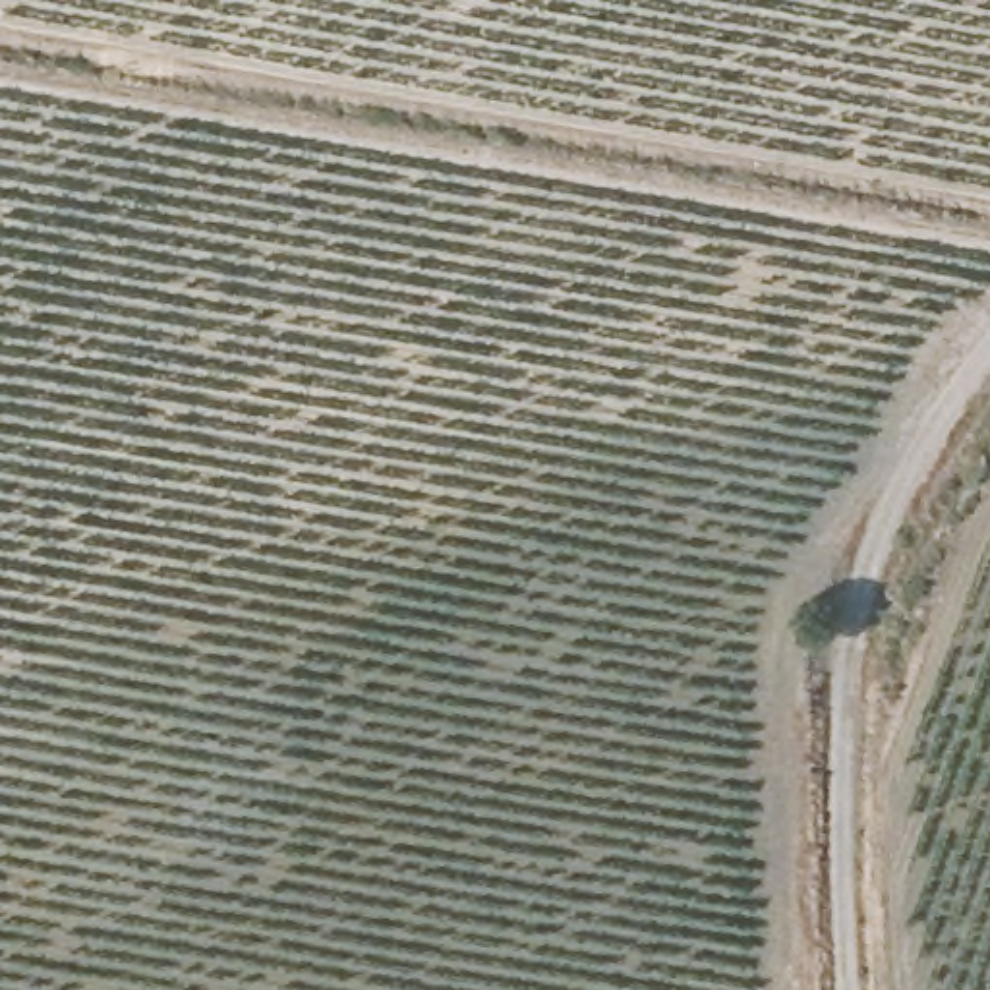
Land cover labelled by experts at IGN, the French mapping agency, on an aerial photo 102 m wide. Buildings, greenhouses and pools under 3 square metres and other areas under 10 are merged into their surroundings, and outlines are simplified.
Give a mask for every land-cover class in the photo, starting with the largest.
<instances>
[{"label":"vineyard","instance_id":"1","mask_svg":"<svg viewBox=\"0 0 990 990\"><path fill-rule=\"evenodd\" d=\"M990 286V251L843 224L793 220L754 209L704 205L661 193H630L565 178L464 166L445 159H418L255 128H228L213 120H178L162 112L116 108L97 101L0 89V990H766L758 959L766 944V897L758 886L766 862L754 847L762 781L731 777V770L750 766V750H758L762 727L754 719L758 646L739 642V634H758L766 611L746 607V596H766L770 580H781L777 568L793 553V545L808 538L812 510L828 503V491H839L847 476H855V452L866 437L878 433L882 402L893 398V383L905 379L913 348L928 340L932 329H940V317L951 313L959 302H975L986 298ZM909 758L924 766L913 812H920L924 820L917 855L928 859L932 870L909 920L924 928L920 955L932 967L928 990H990V545L967 592L963 619L951 634V650L940 665L936 688L917 727V743L909 750Z\"/></svg>","mask_w":990,"mask_h":990},{"label":"plowed land","instance_id":"2","mask_svg":"<svg viewBox=\"0 0 990 990\"><path fill-rule=\"evenodd\" d=\"M0 43L35 46L46 54H85L101 66H124L155 77H193L236 89H278L294 97H321L344 104H387L402 112L452 116L468 124H510L526 135H553L568 143H603L642 155H673L688 162L754 166L831 186L893 189L901 197H928L944 205L978 209L990 217V0H0ZM0 89L97 101L116 108L162 112L178 120H213L228 128H255L418 159H445L464 166L565 178L630 193H661L704 205L754 209L793 220L843 224L990 251V236L959 220H924L920 213L831 205L785 189L696 182L623 162L588 166L576 159H549L507 143L483 147L476 139L340 124L309 112L240 108L217 97L174 89L116 97L93 89L85 73L0 62ZM975 302H959L951 313L940 317V329H932L928 340L913 348L905 379L893 383V398L882 402L878 433L866 437L855 452V476H847L839 491H828V503L812 510L808 538L793 545V553L777 568L781 580H770L766 596H746V607L766 611L758 634H739V642L758 646L754 719L762 727L758 750H750V766L731 770V777L762 781L754 847L766 862L758 886L766 897V944L758 959L766 990H835L831 688L851 696L847 715L855 727L851 901L859 990H928L932 967L920 955L924 928L909 920L932 870L928 859L917 855L924 820L920 812H913L924 766L909 758V750L917 743V727L936 688L940 665L951 650V634L963 619L967 592L990 545V483L982 507L963 522L959 545L947 553L944 572H936L932 580V623L905 657L901 700L882 696L878 681L886 661L870 657L866 638L859 634L835 638L828 646L797 642L793 619L812 599L828 584L859 580L855 557L862 549L870 514L882 499L886 476L897 468V422L917 414L932 391H940V383L955 375L959 360L967 356L959 336L975 329Z\"/></svg>","mask_w":990,"mask_h":990},{"label":"pervious surface","instance_id":"3","mask_svg":"<svg viewBox=\"0 0 990 990\"><path fill-rule=\"evenodd\" d=\"M975 329L959 336L967 356L959 360L955 375L940 383V391H932L917 414L897 422V468L886 476L882 499L870 514L862 549L855 557L859 580L828 584L812 599L824 611V626L835 638L859 634L866 626H878L886 611V588L878 584V576L893 549L913 491L924 483L967 398L982 391L990 375V286L986 298L975 302ZM851 696L831 688L835 990H859L851 901L855 727L847 715Z\"/></svg>","mask_w":990,"mask_h":990},{"label":"brushwood","instance_id":"4","mask_svg":"<svg viewBox=\"0 0 990 990\"><path fill-rule=\"evenodd\" d=\"M0 62L85 73L93 89L116 97L174 89L217 97L240 108L309 112L340 124L476 139L483 147L507 143L549 159H576L588 166L623 162L696 182L785 189L831 205L920 213L924 220H959L990 236V217L978 209L944 205L928 197H901L893 189L831 186L754 166L688 162L673 155H642L603 143H568L553 135H526L510 124H468L452 116L402 112L387 104H344L321 97H294L278 89H236L193 77H155L124 66H101L85 54H46L35 46L0 43Z\"/></svg>","mask_w":990,"mask_h":990},{"label":"herbaceous vegetation","instance_id":"5","mask_svg":"<svg viewBox=\"0 0 990 990\"><path fill-rule=\"evenodd\" d=\"M990 483V375L982 391L967 398L924 483L913 491L893 549L878 576V584L886 588V611L878 626H866L859 634L866 638L870 657L886 661L878 681L882 696L901 700L905 657L932 623V580L936 572H944L947 553L959 545L963 522L982 507Z\"/></svg>","mask_w":990,"mask_h":990},{"label":"deciduous trees","instance_id":"6","mask_svg":"<svg viewBox=\"0 0 990 990\"><path fill-rule=\"evenodd\" d=\"M824 611L812 599L793 619L797 642L828 646L835 638L824 626Z\"/></svg>","mask_w":990,"mask_h":990}]
</instances>
